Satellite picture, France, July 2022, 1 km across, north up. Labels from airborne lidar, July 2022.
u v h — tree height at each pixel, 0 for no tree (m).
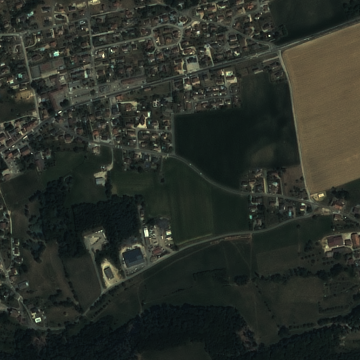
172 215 0
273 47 0
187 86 0
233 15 0
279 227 0
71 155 0
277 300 0
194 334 20
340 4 0
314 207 0
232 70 0
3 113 0
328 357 12
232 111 0
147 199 0
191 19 0
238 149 0
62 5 0
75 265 0
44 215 15
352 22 0
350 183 0
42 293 0
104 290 0
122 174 0
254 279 9
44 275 0
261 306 0
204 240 0
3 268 0
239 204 0
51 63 0
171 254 0
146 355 0
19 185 0
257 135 0
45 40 0
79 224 12
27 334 21
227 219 0
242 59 0
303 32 0
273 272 0
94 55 0
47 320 0
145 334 26
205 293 0
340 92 0
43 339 22
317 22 0
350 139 0
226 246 0
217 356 12
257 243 0
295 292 0
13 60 7
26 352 27
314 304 0
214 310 15
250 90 0
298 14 0
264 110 0
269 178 7
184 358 0
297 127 0
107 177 14
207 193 0
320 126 0
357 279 0
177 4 16
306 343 20
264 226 13
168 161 0
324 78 0
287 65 0
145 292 0
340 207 0
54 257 0
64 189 16
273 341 0
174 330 24
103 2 0
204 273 7
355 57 0
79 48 6
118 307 0
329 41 0
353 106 0
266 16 0
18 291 13
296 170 0
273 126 0
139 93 7
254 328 0
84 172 0
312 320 0
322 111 0
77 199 0
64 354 24
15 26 15
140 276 0
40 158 0
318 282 0
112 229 18
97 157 0
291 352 21
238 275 0
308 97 0
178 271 0
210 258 0
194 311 29
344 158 0
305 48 0
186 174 0
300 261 0
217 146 0
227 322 17
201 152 0
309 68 0
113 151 0
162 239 0
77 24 9
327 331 22
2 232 12
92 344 17
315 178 0
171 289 0
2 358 23
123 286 10
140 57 0
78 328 0
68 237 21
